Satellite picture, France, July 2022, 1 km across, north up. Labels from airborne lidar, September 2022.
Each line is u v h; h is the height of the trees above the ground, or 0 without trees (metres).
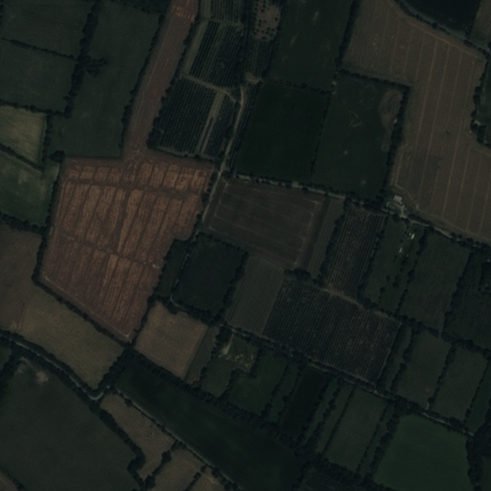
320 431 14
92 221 0
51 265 0
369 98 0
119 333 0
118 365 9
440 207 0
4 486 0
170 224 0
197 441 0
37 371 0
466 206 0
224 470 0
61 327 0
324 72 0
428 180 0
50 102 0
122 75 0
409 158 0
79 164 0
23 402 0
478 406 0
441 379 10
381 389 17
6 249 0
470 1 0
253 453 0
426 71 0
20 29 0
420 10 0
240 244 0
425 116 0
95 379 0
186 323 0
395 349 13
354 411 0
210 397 12
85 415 0
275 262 0
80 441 0
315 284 13
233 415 18
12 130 0
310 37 0
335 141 0
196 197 0
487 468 0
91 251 0
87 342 0
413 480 0
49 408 0
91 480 0
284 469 0
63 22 0
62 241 0
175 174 0
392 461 0
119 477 0
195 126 7
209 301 0
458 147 0
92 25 13
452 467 0
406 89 11
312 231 0
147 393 0
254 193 0
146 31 0
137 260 0
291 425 0
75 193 0
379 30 0
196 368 0
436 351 0
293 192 0
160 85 0
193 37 7
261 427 13
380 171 0
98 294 0
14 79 0
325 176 0
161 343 0
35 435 0
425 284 0
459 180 0
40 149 0
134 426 0
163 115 14
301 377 13
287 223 0
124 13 0
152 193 0
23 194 0
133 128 0
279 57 0
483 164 0
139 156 0
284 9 8
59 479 0
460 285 14
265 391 0
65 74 0
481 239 0
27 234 0
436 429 0
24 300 0
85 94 0
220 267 0
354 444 0
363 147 0
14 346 16
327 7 0
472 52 0
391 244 0
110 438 0
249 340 17
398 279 9
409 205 0
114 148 0
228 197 0
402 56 0
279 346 14
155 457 0
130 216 0
